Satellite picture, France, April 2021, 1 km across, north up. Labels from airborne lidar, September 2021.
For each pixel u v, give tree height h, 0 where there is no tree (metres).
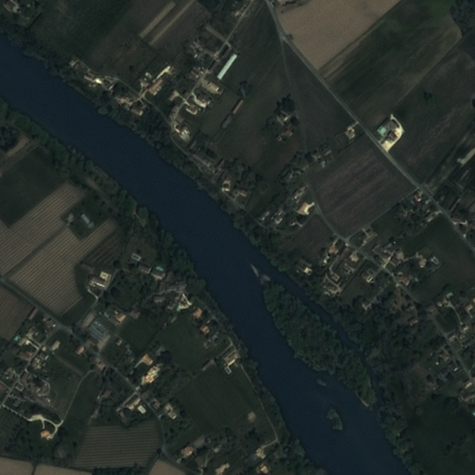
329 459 0
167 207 0
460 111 0
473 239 9
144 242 15
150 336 0
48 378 7
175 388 17
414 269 15
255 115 0
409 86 0
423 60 0
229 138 0
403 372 20
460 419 0
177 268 17
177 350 0
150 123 16
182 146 7
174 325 0
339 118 0
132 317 8
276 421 19
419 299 0
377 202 0
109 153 0
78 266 0
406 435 17
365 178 0
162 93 7
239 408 0
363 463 0
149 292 6
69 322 0
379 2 0
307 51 0
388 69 0
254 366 12
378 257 9
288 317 26
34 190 0
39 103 0
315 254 0
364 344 35
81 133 0
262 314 0
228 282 0
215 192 14
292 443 13
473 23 31
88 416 0
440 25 0
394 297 14
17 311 0
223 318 24
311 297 10
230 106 0
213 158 12
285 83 0
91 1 8
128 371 8
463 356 8
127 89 7
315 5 0
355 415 0
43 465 16
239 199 0
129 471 5
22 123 15
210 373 0
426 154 0
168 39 0
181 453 6
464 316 9
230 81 0
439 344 13
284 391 0
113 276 0
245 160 0
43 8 13
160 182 0
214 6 28
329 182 0
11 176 0
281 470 0
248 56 0
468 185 0
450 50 0
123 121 14
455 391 0
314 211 0
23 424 8
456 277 0
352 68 0
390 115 0
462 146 0
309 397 0
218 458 7
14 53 0
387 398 12
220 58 7
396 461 0
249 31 0
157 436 0
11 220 0
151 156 0
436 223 0
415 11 0
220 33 0
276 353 0
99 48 0
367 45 0
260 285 0
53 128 0
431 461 0
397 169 0
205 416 0
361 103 0
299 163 8
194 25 0
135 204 10
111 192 0
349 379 26
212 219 0
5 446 7
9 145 9
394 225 0
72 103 0
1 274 0
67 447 11
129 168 0
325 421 0
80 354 7
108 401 12
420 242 0
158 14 0
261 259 0
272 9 0
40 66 0
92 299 0
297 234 0
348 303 0
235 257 0
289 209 9
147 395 0
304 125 0
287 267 26
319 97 0
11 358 0
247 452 0
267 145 0
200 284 26
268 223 10
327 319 0
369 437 0
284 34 0
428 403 0
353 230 0
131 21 0
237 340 13
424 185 0
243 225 11
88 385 0
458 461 0
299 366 0
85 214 0
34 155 0
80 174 0
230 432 7
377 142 0
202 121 0
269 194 0
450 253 0
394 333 23
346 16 0
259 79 0
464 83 0
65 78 23
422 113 0
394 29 0
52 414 6
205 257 0
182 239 0
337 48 0
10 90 0
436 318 0
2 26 27
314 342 19
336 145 0
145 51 8
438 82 0
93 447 0
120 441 0
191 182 0
